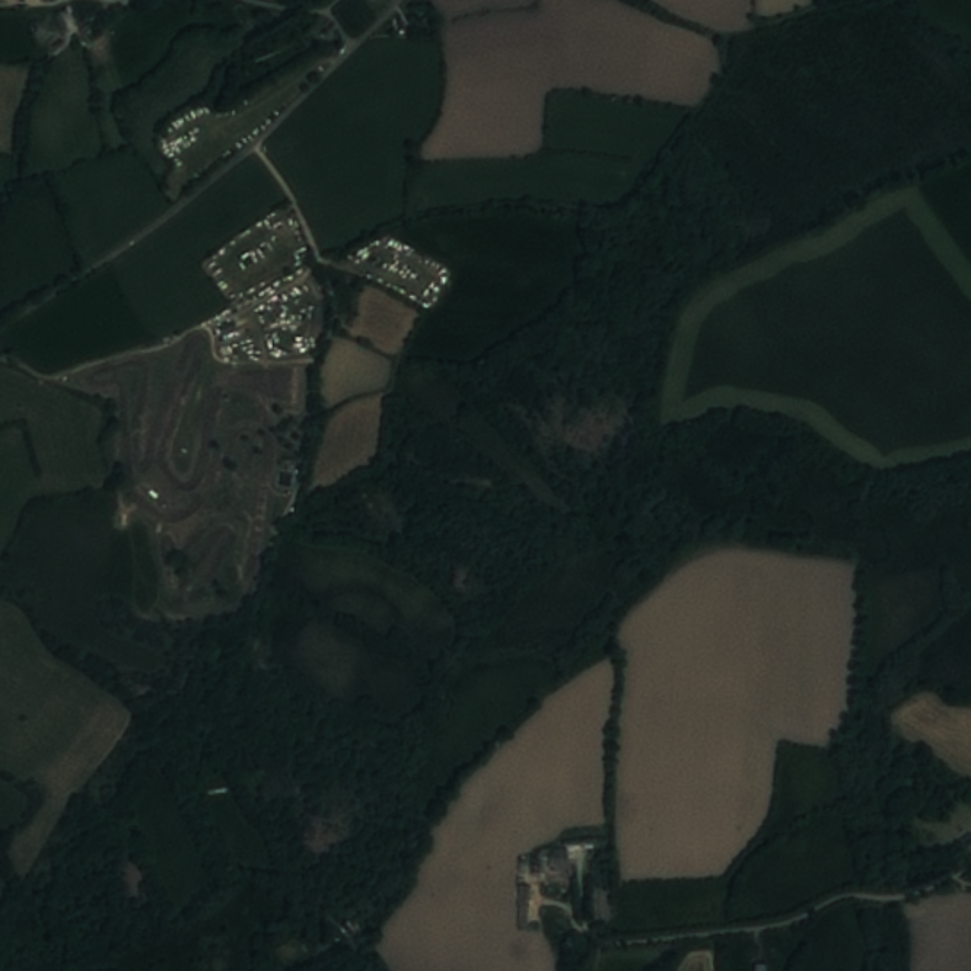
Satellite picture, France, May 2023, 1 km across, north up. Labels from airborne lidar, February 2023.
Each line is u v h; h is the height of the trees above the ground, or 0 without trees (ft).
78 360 0
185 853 0
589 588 0
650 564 34
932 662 0
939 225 0
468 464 48
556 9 0
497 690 0
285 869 45
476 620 38
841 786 21
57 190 31
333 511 25
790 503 0
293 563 0
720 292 0
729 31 0
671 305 57
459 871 0
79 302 0
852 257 0
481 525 84
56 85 0
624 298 51
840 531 0
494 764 0
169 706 48
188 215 0
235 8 0
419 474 52
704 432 48
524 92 0
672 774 0
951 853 41
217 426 0
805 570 0
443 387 0
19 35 0
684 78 0
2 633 0
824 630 0
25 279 0
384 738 54
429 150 0
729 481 37
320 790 42
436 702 53
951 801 22
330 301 37
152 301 0
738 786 0
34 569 0
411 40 36
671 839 0
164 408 0
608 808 23
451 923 0
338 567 0
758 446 0
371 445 0
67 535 0
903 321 0
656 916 0
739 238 25
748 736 0
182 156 0
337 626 31
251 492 0
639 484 29
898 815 60
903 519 0
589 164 0
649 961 0
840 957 0
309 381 31
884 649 0
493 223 0
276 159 0
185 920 60
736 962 0
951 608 39
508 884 0
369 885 60
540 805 0
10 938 59
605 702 0
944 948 0
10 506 0
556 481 50
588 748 0
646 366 39
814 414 0
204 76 0
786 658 0
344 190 0
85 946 66
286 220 0
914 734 0
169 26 0
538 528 45
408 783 48
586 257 53
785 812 0
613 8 0
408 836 70
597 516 29
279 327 0
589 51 0
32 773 0
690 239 59
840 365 0
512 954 0
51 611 0
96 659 36
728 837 0
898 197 0
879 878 45
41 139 0
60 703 0
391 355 0
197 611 0
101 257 0
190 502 0
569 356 22
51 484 0
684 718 0
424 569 23
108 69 0
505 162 0
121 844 49
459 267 0
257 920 0
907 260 0
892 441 0
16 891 54
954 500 76
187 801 49
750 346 0
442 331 0
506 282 0
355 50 0
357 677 0
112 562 0
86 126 0
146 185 0
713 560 0
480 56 0
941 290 0
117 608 23
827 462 44
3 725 0
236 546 0
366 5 0
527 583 41
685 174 32
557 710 0
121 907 45
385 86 0
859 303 0
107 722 0
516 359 38
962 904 0
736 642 0
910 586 0
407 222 25
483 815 0
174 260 0
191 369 0
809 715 0
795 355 0
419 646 0
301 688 43
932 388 0
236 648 72
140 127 0
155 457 0
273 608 31
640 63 0
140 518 0
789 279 0
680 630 0
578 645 38
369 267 0
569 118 0
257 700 59
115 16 47
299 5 28
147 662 0
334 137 0
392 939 0
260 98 0
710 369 0
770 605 0
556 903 0
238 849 0
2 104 0
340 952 64
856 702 57
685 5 0
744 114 0
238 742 47
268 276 0
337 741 34
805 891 0
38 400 0
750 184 30
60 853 32
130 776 79
